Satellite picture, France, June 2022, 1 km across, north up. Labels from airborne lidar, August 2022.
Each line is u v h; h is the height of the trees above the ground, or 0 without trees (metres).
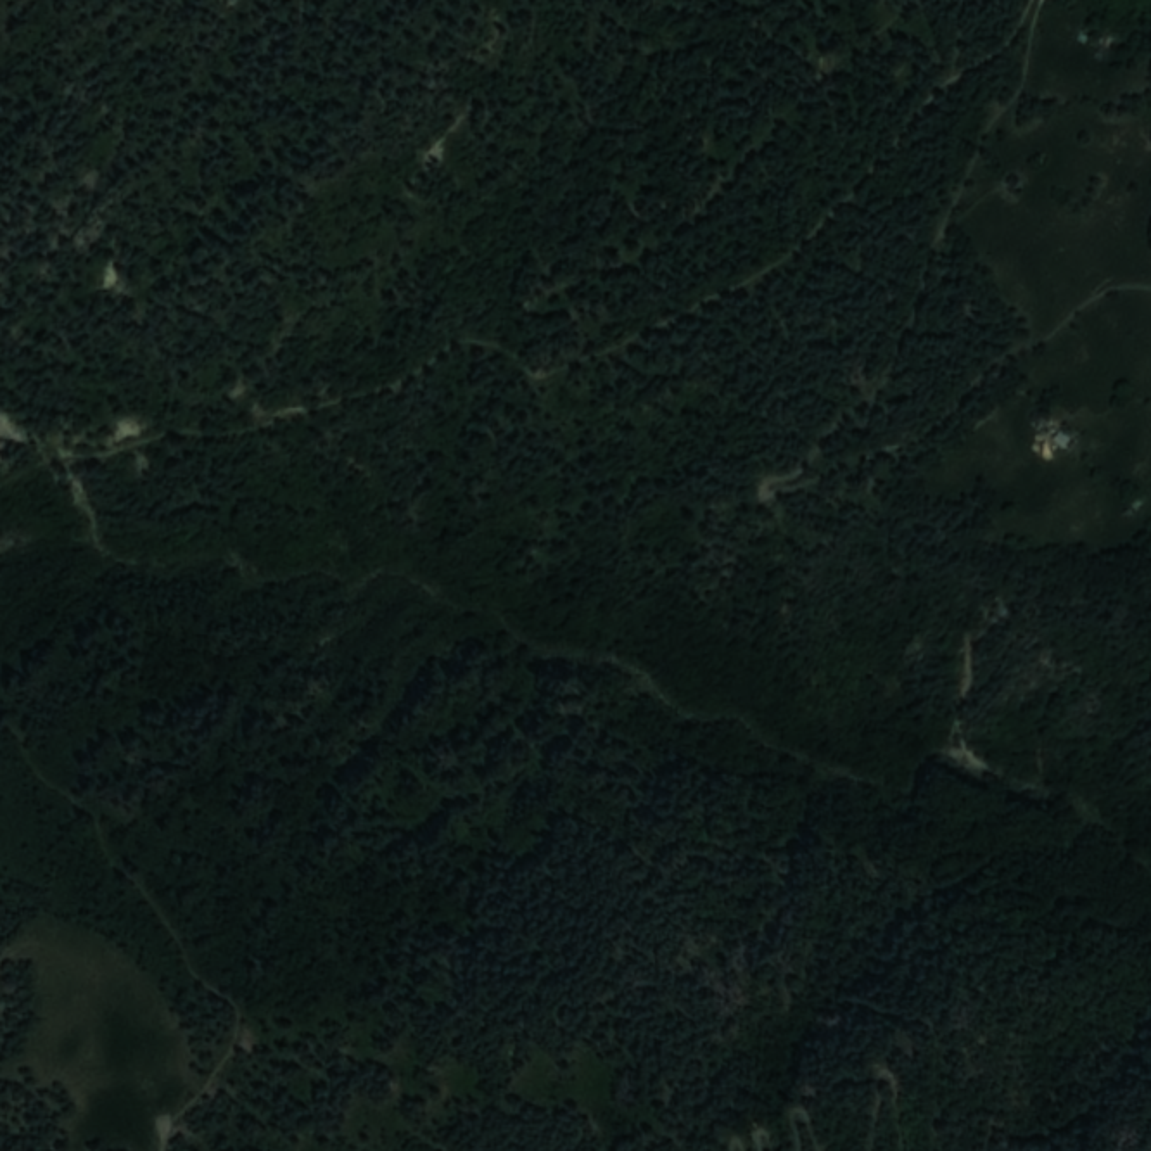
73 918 7
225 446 19
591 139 15
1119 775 8
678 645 12
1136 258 0
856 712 22
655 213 18
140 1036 0
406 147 16
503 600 7
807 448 21
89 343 34
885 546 11
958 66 7
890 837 13
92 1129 0
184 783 8
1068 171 0
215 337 15
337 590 14
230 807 7
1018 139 0
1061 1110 25
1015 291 0
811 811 8
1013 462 0
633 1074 24
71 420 26
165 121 22
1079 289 0
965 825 8
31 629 10
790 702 13
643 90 20
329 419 9
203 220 7
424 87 14
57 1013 0
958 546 20
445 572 8
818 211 7
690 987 29
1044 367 0
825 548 18
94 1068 0
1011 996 19
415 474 18
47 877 10
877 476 23
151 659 12
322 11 30
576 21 9
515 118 7
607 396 20
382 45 11
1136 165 0
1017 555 23
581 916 32
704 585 12
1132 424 0
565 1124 21
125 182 22
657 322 6
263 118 25
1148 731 25
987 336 24
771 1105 13
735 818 15
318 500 9
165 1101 0
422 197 10
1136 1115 31
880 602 22
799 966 19
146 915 8
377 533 10
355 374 12
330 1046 15
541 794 9
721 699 10
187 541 10
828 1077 26
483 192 11
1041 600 12
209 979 7
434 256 11
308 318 10
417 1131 11
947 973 18
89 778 9
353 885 14
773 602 21
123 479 10
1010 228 0
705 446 8
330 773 20
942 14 20
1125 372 0
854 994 26
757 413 11
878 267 16
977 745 14
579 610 9
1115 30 11
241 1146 6
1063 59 0
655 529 7
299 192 26
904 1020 18
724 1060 14
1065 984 17
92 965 0
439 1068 10
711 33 13
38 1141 20
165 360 12
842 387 20
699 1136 13
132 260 20
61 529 12
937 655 12
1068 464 0
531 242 6
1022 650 12
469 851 14
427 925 15
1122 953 28
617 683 9
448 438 9
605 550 11
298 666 9
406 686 10
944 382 25
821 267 26
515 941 34
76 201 6
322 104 10
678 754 8
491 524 9
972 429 17
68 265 11
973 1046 19
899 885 28
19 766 7
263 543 10
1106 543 0
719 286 7
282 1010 12
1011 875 21
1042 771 10
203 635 7
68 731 12
